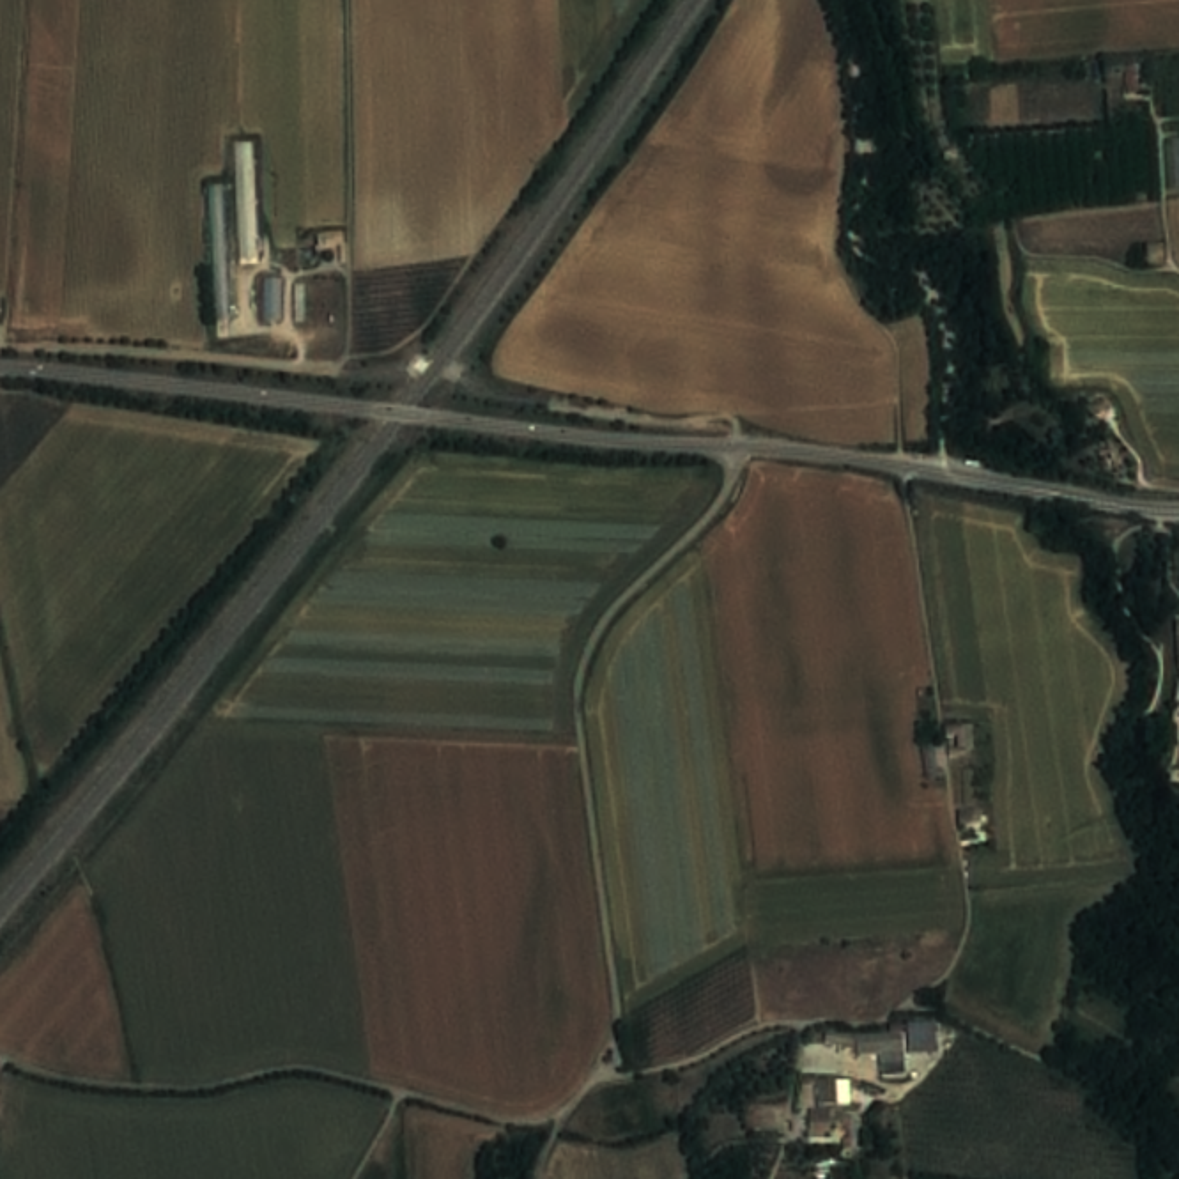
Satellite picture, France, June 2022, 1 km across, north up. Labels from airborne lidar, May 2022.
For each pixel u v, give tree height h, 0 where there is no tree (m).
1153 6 0
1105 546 8
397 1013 0
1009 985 0
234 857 0
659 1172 0
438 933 0
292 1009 0
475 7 0
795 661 0
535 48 0
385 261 0
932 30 7
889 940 0
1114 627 18
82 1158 0
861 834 0
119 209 0
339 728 0
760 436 0
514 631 0
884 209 17
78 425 0
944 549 0
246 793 0
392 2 0
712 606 0
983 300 26
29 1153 0
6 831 12
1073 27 0
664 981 0
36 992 0
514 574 0
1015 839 0
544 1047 0
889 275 15
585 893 0
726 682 0
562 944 0
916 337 0
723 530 0
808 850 0
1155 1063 11
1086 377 0
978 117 0
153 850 0
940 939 0
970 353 25
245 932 0
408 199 0
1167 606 15
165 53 0
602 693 0
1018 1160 0
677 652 0
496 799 0
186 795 0
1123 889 15
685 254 0
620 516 0
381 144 0
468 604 0
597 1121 0
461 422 0
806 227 0
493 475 0
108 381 0
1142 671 22
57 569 0
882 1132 12
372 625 0
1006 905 0
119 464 0
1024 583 0
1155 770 24
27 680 0
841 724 0
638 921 0
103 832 0
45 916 0
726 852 0
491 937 0
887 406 0
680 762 0
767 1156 6
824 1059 0
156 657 10
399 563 0
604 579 0
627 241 0
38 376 0
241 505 0
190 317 0
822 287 0
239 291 0
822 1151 12
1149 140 10
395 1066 0
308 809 0
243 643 0
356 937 0
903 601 0
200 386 0
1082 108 0
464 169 0
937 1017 8
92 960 0
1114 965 17
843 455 0
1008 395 11
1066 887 0
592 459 11
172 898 0
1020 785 0
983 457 9
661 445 0
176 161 0
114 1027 0
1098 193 10
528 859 0
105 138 0
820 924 0
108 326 0
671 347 0
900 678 0
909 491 9
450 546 0
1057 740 0
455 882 0
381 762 0
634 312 0
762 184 0
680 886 0
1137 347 0
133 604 0
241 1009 0
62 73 0
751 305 0
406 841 0
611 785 0
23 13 0
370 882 0
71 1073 0
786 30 0
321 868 0
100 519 0
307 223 0
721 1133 0
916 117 12
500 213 0
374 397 0
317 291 0
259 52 0
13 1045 0
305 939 0
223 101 0
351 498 0
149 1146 0
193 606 11
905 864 0
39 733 0
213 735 0
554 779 0
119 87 0
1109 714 0
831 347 0
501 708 0
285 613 0
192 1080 0
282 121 0
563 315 0
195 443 0
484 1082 0
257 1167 0
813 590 0
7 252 0
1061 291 0
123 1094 7
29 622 0
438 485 0
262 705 0
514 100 0
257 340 0
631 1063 8
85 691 0
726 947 0
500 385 0
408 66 0
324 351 0
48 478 0
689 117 0
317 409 0
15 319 0
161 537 0
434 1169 0
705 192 0
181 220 0
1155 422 0
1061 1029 13
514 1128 8
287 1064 0
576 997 0
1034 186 12
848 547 0
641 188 0
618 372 0
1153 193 9
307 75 0
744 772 0
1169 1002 22
